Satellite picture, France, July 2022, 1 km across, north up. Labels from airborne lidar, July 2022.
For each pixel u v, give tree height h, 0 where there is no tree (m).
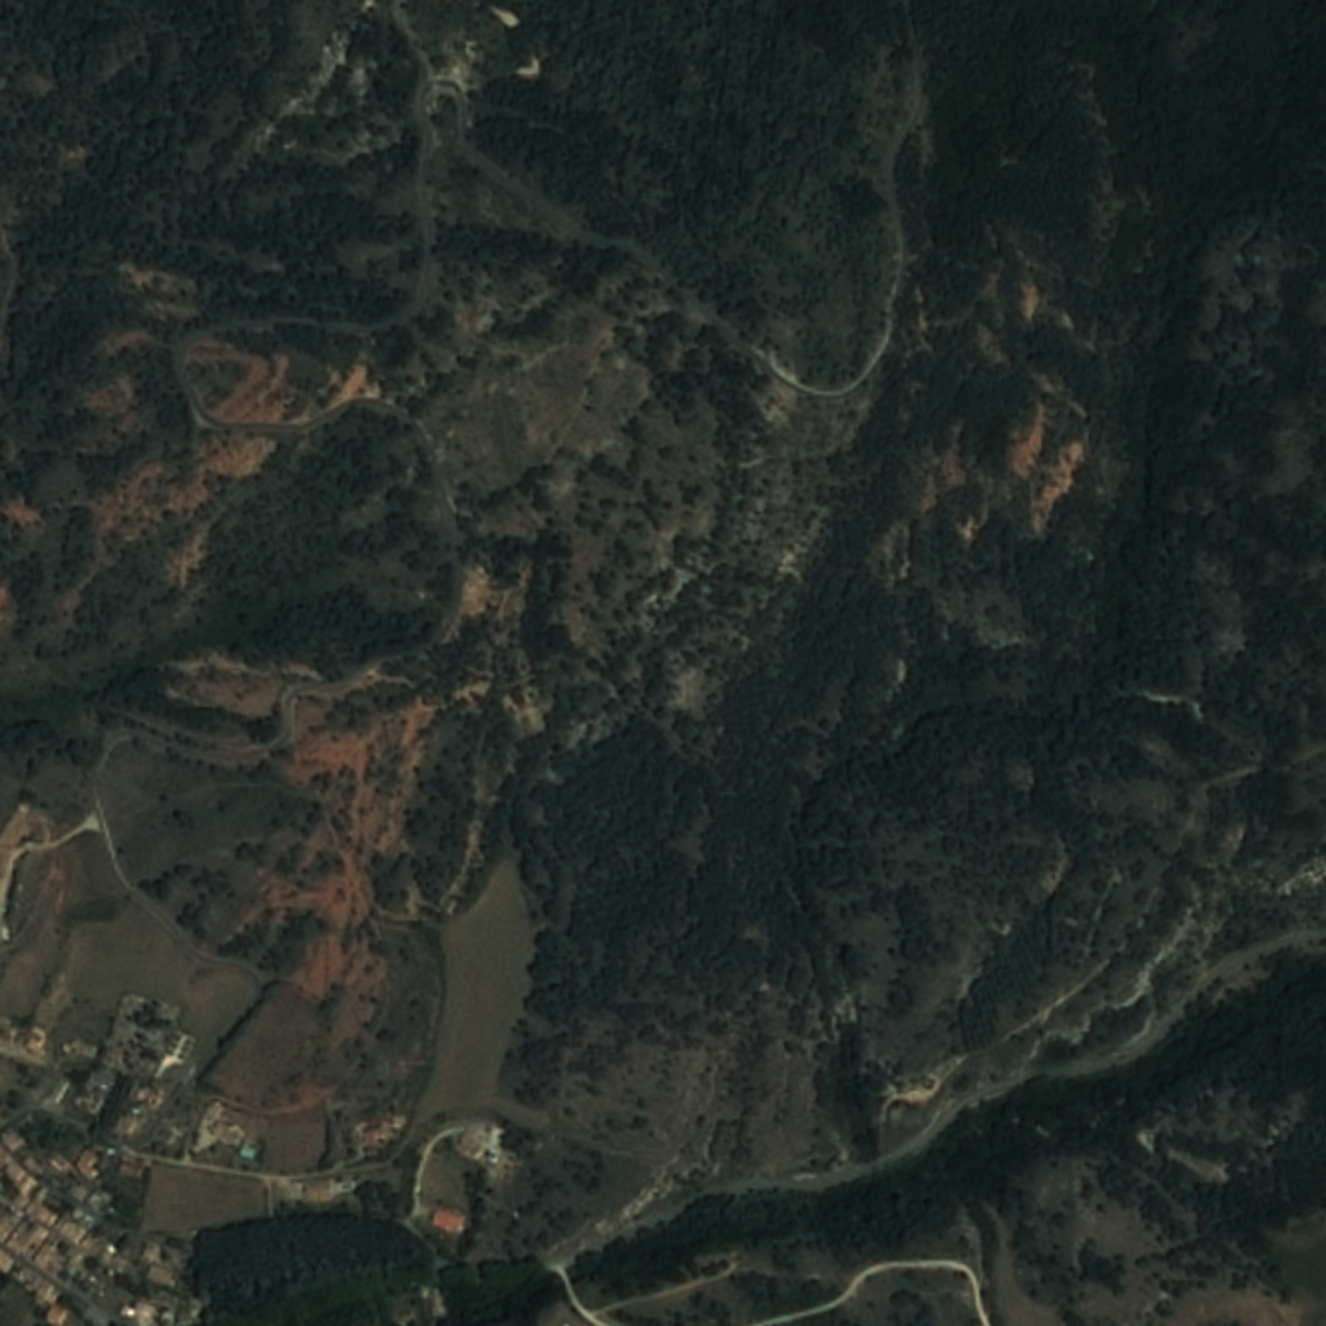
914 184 12
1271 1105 6
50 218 8
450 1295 7
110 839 0
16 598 11
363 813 7
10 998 0
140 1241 0
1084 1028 6
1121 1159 11
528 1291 10
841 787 6
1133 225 9
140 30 6
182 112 8
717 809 15
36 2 13
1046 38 13
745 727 15
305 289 11
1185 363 7
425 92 0
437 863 8
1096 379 14
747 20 9
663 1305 0
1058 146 17
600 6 9
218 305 8
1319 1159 12
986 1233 7
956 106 13
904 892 7
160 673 11
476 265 7
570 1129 0
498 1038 0
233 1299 20
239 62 11
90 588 9
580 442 0
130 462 7
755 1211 14
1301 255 6
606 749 15
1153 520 10
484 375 0
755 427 6
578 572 0
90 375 7
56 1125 12
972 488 6
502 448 0
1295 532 7
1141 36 21
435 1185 0
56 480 0
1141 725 13
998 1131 18
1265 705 12
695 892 14
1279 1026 17
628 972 8
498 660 7
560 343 0
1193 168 10
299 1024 0
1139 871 6
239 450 0
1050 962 12
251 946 9
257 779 7
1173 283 14
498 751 10
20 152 6
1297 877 6
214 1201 0
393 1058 0
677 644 10
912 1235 18
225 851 0
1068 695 7
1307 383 11
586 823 13
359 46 10
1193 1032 21
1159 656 14
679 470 0
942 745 9
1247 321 9
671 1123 0
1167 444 8
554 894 10
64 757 11
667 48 10
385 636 12
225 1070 0
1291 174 7
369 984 0
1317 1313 0
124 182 13
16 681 0
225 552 8
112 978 0
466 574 0
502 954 0
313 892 0
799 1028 10
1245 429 6
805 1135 0
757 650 8
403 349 7
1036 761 15
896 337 8
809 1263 0
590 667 8
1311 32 20
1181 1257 11
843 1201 6
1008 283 7
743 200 10
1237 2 8
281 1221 14
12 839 0
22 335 15
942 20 16
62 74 15
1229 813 9
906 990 7
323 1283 30
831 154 9
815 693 13
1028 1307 0
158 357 6
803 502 7
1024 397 9
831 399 0
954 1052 8
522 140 12
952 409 7
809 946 14
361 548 9
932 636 15
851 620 17
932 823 10
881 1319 0
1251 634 7
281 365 0
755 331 8
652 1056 0
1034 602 10
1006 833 6
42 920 0
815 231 9
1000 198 16
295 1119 0
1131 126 7
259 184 6
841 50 11
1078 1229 0
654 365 9
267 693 0
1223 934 8
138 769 0
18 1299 0
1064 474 0
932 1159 13
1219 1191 10
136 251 7
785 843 18
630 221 8
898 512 9
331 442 9
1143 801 0
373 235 9
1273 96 16
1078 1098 7
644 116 7
